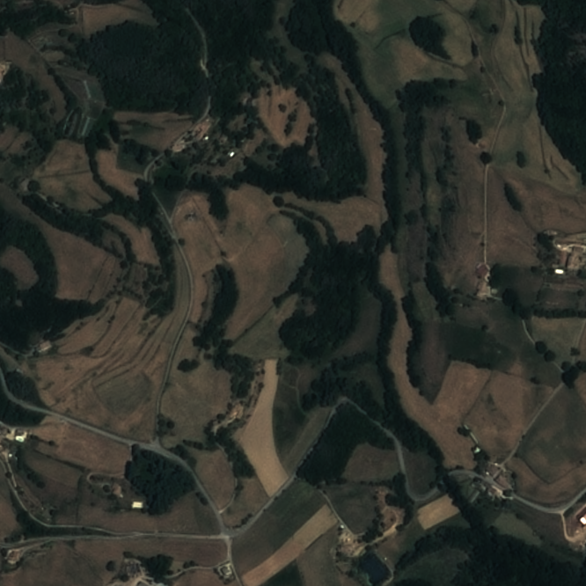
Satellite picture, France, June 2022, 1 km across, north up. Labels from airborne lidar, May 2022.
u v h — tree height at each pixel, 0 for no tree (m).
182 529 0
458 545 18
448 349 0
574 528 0
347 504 0
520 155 11
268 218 0
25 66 0
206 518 0
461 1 0
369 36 0
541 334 0
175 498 28
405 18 0
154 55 16
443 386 0
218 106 15
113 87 8
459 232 0
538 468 0
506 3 0
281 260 0
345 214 0
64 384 0
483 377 0
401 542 0
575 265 0
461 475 0
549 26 20
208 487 0
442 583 0
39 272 9
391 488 8
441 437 0
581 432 0
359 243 9
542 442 0
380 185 0
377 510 7
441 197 0
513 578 23
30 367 0
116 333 0
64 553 0
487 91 0
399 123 0
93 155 11
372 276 18
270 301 0
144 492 26
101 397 0
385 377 20
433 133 0
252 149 0
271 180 25
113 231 10
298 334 11
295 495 0
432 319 0
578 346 0
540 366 0
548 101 19
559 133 16
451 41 0
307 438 0
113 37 16
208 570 0
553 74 16
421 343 9
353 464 0
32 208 13
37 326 10
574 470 0
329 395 17
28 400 12
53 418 0
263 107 0
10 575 0
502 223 0
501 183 0
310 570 0
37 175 0
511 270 0
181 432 0
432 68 0
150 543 0
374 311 0
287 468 0
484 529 29
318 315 9
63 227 13
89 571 0
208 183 21
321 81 13
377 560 0
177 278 0
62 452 0
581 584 23
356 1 0
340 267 15
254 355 0
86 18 0
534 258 0
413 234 0
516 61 0
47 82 0
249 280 0
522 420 0
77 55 9
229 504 0
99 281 0
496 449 0
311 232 10
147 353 0
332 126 12
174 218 0
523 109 0
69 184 0
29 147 9
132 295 6
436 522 0
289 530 0
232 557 0
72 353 0
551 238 6
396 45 0
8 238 18
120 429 0
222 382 0
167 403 0
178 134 0
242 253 0
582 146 15
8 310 14
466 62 0
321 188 15
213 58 8
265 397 0
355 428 14
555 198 0
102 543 0
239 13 8
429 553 19
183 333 0
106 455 0
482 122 0
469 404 0
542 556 22
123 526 0
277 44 11
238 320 0
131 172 0
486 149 0
